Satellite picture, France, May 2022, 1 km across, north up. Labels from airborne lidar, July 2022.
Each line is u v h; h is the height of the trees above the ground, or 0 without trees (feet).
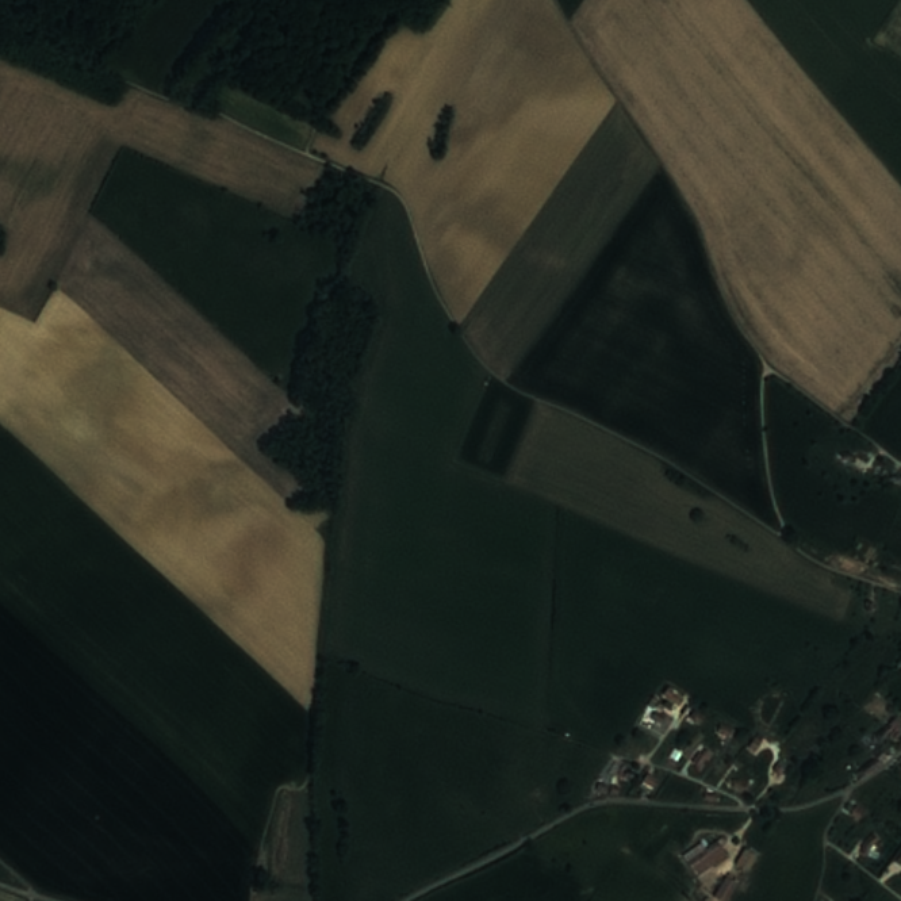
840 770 0
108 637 0
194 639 0
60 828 0
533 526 0
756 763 0
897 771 21
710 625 0
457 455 0
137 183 0
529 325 0
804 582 0
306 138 0
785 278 0
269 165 0
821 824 0
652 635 0
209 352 0
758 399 0
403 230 0
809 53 0
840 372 0
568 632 0
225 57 86
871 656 0
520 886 0
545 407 0
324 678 42
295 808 0
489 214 0
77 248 0
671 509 0
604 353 0
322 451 79
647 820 0
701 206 0
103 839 0
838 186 0
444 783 0
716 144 0
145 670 0
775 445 0
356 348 18
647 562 0
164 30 0
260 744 0
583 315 0
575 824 0
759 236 0
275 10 99
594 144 0
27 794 0
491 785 0
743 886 0
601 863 0
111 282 0
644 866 0
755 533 0
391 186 0
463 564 0
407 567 0
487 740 0
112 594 0
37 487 0
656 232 0
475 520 0
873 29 0
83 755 0
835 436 0
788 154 0
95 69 72
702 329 0
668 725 0
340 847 34
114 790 0
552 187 0
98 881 0
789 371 0
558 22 0
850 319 0
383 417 0
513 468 0
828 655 0
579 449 0
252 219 0
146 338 0
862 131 0
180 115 0
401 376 0
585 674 0
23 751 0
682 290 0
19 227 0
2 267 0
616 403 0
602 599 0
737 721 0
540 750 0
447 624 0
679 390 0
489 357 0
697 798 0
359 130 46
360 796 0
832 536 0
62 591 0
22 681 0
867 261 0
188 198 0
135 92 0
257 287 0
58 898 0
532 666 0
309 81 79
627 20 0
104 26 80
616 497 0
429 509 0
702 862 0
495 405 0
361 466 0
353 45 94
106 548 0
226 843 0
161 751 0
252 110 0
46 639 0
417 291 0
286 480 0
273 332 0
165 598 0
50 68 83
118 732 0
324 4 95
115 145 0
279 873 0
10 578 0
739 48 0
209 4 0
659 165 0
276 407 0
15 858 0
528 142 0
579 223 0
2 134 0
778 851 0
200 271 0
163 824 0
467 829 0
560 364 0
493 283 0
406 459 0
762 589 0
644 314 0
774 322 0
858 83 0
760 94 0
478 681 0
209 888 0
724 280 0
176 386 0
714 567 0
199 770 0
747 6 0
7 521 0
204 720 0
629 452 0
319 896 39
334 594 0
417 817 0
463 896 0
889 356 0
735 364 0
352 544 0
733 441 0
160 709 0
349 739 0
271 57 91
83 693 0
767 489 0
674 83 0
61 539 0
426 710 0
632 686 0
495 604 0
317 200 40
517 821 0
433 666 0
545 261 0
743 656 0
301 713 0
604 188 0
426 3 88
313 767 44
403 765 0
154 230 0
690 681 0
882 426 0
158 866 0
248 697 0
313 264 0
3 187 0
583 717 0
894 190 0
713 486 0
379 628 0
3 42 68
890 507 0
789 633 0
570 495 0
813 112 0
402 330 0
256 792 0
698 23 0
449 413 0
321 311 65
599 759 0
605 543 0
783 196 0
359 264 0
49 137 0
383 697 0
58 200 0
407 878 0
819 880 0
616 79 0
